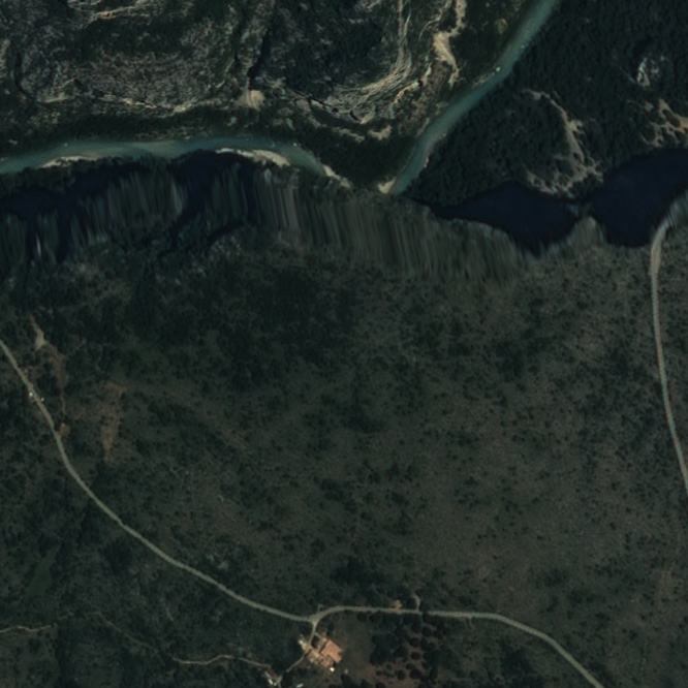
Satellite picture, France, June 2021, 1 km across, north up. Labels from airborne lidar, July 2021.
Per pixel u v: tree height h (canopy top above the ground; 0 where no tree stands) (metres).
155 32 9
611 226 7
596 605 0
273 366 8
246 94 0
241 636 0
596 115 7
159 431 6
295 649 8
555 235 11
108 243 18
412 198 21
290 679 10
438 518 0
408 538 0
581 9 12
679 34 12
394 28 16
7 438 6
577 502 0
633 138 12
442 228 8
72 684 9
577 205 29
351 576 8
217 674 6
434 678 8
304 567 0
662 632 0
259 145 0
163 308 9
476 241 17
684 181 8
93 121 17
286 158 0
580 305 6
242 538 0
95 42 7
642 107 7
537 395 0
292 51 13
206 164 23
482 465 0
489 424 0
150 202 7
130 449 0
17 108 7
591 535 0
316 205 22
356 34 9
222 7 8
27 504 6
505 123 11
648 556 0
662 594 0
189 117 10
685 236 0
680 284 0
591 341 0
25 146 7
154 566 0
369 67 7
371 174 11
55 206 11
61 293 8
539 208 8
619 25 9
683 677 0
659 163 14
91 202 9
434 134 0
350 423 6
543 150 17
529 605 0
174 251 8
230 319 6
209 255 8
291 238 0
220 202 32
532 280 0
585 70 9
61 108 16
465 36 12
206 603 9
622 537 0
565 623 0
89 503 6
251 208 7
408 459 0
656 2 13
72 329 6
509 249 6
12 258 8
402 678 10
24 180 26
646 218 7
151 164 27
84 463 0
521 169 15
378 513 0
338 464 0
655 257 0
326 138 9
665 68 13
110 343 7
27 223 13
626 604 0
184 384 0
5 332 7
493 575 0
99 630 7
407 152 5
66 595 7
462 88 8
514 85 17
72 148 0
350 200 0
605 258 0
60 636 6
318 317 6
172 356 7
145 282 8
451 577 0
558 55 11
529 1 6
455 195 12
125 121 15
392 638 7
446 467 0
